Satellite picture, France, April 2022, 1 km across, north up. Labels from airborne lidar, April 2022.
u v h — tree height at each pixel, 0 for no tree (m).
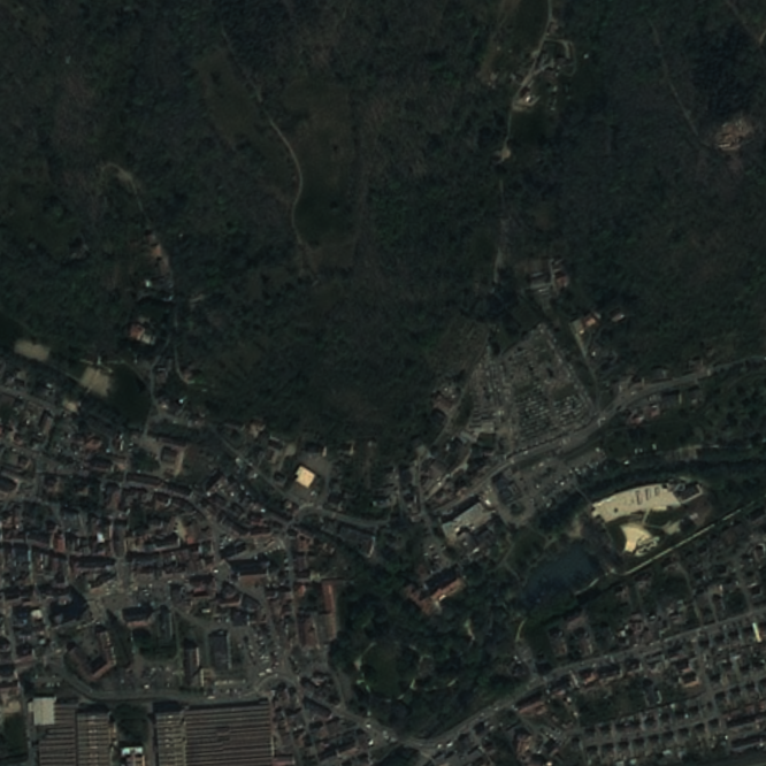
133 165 16
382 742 0
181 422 0
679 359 7
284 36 17
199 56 21
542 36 0
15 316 28
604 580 31
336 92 0
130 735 11
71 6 19
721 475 30
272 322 11
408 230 19
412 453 10
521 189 19
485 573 15
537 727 0
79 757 0
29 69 19
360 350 16
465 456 0
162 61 17
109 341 31
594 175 19
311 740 6
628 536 0
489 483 0
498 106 21
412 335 16
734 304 8
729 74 14
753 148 15
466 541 0
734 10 19
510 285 23
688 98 12
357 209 15
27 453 0
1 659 0
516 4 0
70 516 0
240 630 0
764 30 15
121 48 25
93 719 0
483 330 0
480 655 22
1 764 18
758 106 19
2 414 0
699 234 12
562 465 0
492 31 20
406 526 21
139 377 0
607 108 20
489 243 0
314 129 0
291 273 12
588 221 21
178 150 12
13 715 0
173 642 7
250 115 0
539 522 9
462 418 0
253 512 0
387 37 27
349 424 7
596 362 7
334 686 8
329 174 0
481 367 0
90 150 24
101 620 0
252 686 0
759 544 0
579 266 15
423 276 26
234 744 0
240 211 20
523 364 0
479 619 13
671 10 18
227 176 18
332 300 0
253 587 0
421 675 22
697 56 18
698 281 17
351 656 20
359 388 9
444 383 6
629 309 15
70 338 30
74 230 0
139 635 12
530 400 0
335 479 0
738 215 10
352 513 8
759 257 15
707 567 0
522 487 0
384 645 29
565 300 9
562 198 25
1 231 15
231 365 0
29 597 0
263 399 15
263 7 14
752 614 0
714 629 0
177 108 24
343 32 20
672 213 17
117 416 20
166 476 0
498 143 14
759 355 6
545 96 0
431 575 0
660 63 20
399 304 23
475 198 15
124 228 28
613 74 16
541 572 0
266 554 0
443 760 0
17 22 8
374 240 20
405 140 29
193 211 21
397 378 11
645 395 0
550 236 6
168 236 16
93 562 0
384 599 20
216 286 11
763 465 17
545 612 20
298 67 19
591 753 0
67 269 19
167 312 13
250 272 17
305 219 0
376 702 25
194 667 0
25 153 18
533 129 0
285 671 0
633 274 16
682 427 0
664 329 9
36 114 9
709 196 12
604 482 0
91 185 32
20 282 15
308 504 0
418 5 26
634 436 18
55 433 9
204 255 17
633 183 15
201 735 0
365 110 22
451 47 6
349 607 0
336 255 0
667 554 0
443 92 20
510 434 0
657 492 0
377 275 18
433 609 0
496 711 0
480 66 35
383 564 19
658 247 18
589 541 21
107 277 24
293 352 14
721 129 19
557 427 0
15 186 0
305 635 0
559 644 0
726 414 0
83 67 25
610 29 20
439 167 20
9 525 0
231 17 21
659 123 17
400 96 25
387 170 28
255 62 15
